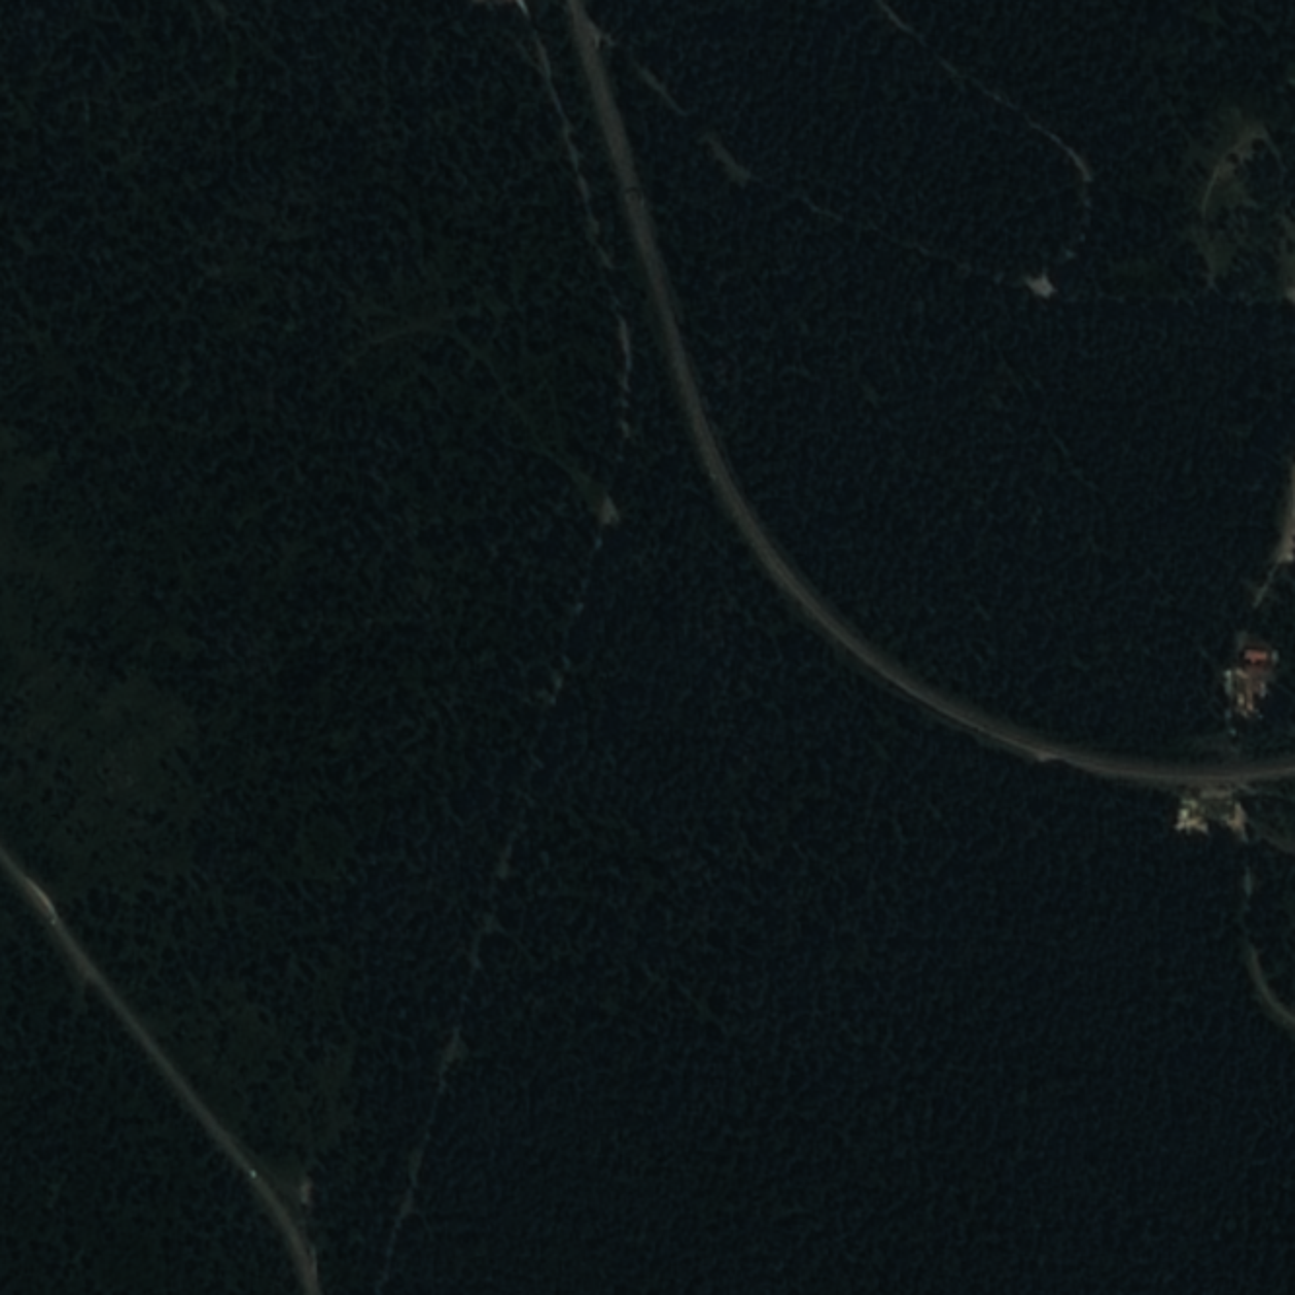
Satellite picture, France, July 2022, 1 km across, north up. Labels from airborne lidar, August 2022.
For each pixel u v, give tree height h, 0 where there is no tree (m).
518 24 25
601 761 25
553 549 6
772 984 28
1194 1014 20
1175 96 26
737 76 29
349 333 9
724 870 36
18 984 7
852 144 30
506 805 29
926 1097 16
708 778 30
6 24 8
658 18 33
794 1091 18
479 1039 23
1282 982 16
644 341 12
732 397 31
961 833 23
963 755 24
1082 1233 24
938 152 30
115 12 22
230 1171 15
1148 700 29
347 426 13
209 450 7
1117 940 24
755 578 15
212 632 5
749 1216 15
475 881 30
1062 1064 17
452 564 6
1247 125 0
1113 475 24
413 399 6
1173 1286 23
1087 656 25
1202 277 31
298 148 8
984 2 16
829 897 9
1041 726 8
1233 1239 25
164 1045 8
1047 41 16
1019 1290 19
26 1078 6
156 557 6
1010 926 25
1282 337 38
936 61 27
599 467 21
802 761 31
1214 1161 25
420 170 20
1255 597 15
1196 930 24
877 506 17
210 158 6
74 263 8
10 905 8
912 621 30
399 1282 18
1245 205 0
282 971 24
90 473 6
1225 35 10
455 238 16
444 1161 21
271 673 40
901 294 28
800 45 27
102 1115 7
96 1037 6
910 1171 18
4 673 8
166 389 13
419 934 24
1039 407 22
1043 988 24
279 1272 9
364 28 35
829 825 23
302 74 23
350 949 12
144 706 0
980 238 20
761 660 34
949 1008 23
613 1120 17
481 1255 16
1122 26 19
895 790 24
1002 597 26
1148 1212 16
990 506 9
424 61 35
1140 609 30
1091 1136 20
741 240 29
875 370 27
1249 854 17
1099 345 30
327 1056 10
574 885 6
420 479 6
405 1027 27
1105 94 21
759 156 30
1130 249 33
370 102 28
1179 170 15
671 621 30
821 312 30
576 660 21
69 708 0
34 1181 8
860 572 26
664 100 7
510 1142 25
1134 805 22
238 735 7
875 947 31
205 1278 8
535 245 17
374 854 10
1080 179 27
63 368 0
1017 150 29
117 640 5
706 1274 18
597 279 7
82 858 0
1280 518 6
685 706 23
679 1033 19
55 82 15
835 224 7
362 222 7
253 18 17
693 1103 26
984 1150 23
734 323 10
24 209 19
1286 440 40
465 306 7
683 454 27
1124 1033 20
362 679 16
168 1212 7
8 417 6
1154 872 17
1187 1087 20
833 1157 20
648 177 7
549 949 19
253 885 15
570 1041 16
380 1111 13
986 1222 17
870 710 25
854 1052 27
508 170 32
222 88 38
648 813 35
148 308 13
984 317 28
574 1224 17
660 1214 15
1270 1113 20
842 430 29
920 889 26
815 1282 20
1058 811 28
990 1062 20
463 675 35
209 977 16
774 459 24
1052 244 36
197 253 11
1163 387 27
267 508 7
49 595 9
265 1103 11
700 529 30
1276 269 29
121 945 15
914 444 30
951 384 33
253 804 10
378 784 18
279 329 30
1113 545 30
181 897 16
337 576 6
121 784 0
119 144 32
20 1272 9
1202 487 27
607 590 26
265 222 39
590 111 7
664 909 31
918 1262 18
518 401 12
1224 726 12
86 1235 6
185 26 10
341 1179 13
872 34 34
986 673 30
